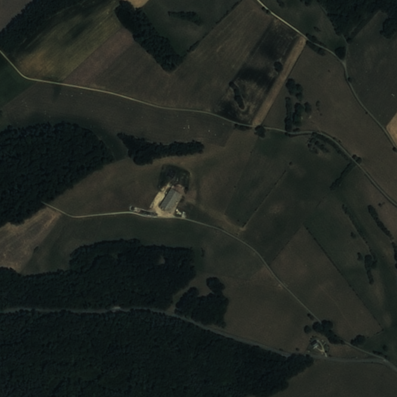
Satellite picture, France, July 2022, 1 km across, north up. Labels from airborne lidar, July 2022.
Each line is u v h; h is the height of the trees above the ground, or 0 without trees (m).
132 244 18
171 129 0
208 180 0
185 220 0
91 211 0
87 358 20
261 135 12
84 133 18
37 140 27
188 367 24
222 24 0
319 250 0
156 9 0
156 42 26
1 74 0
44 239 0
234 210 0
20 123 0
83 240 0
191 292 16
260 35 0
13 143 29
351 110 0
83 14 0
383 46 0
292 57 0
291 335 0
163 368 25
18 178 32
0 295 18
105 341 22
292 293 0
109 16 0
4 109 0
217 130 0
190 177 0
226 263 0
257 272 0
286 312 0
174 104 0
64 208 0
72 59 0
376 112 0
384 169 0
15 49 14
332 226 0
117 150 0
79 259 16
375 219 6
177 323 23
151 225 0
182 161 0
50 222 0
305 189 0
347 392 0
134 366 26
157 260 29
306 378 0
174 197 0
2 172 28
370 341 0
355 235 13
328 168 0
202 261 0
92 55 0
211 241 0
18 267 0
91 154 30
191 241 0
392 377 0
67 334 21
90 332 21
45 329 28
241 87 0
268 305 0
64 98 0
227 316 0
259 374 26
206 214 0
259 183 0
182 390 20
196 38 0
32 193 32
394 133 0
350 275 0
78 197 0
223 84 0
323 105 0
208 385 24
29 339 25
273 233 0
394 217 0
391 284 0
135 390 19
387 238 0
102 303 17
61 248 0
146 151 19
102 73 0
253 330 0
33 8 22
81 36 0
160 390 23
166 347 27
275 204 0
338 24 17
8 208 22
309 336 0
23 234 0
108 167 0
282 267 0
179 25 0
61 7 17
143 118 0
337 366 0
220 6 0
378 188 0
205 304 22
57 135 30
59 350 22
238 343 9
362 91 0
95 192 0
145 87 0
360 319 0
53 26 0
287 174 0
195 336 22
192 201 0
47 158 27
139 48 0
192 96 0
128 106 0
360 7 20
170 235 0
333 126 0
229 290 0
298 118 17
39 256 0
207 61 0
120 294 15
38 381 21
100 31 0
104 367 19
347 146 0
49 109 0
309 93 0
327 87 0
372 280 10
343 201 0
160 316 22
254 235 0
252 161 0
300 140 0
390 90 0
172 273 27
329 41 0
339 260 0
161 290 22
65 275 17
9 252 0
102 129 0
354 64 0
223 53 0
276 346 0
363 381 0
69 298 17
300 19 0
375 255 7
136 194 0
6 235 0
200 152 11
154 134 0
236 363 20
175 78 0
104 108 0
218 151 0
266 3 0
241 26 0
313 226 0
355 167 0
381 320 0
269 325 0
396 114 0
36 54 0
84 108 0
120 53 0
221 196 0
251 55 0
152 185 0
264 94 0
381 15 0
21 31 21
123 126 0
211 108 0
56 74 0
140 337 23
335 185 9
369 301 0
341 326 0
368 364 0
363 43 0
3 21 0
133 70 0
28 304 24
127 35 0
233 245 0
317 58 0
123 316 20
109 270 21
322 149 10
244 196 0
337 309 0
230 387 22
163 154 21
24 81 0
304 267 0
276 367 24
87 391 21
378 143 0
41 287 24
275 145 0
